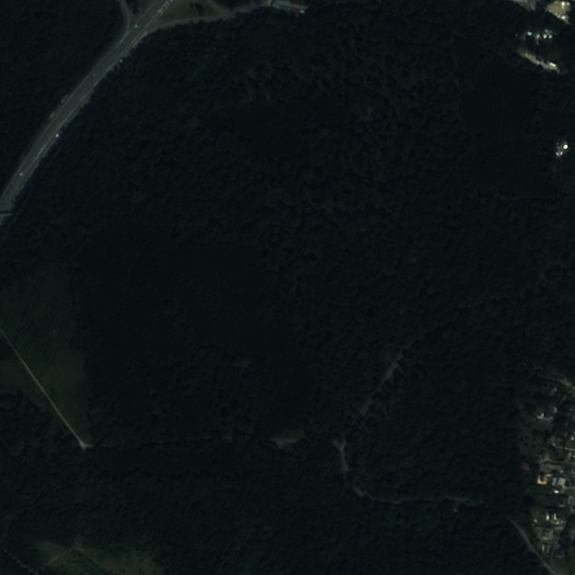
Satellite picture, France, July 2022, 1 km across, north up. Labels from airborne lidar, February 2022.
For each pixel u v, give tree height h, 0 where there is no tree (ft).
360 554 75
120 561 0
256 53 88
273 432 39
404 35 69
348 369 74
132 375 26
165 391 34
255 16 58
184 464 40
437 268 84
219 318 40
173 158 35
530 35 0
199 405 41
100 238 47
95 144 79
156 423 103
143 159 89
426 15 73
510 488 80
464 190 28
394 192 82
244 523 86
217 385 49
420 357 74
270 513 79
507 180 27
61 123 0
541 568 76
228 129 86
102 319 31
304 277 95
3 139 84
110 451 39
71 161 67
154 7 0
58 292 0
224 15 0
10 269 77
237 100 66
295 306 89
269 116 22
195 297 42
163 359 43
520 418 53
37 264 89
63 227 82
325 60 96
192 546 78
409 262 85
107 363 34
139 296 45
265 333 39
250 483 82
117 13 43
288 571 77
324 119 22
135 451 45
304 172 91
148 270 48
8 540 31
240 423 100
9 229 41
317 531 87
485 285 80
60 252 74
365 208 0
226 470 36
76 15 73
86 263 37
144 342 37
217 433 99
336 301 30
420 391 93
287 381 34
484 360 98
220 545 70
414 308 76
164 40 52
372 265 81
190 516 76
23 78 67
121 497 76
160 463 44
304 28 92
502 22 73
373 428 68
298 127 24
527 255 94
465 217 75
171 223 79
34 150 0
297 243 106
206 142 101
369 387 69
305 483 80
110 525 71
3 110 53
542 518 0
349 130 84
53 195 70
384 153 100
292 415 49
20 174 0
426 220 97
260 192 83
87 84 0
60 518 50
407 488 28
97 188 73
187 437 42
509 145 30
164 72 65
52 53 66
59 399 0
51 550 0
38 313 0
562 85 79
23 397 80
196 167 88
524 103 26
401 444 102
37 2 78
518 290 70
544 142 31
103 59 0
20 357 0
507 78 26
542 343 79
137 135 94
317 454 73
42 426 91
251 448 93
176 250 24
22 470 75
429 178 89
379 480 68
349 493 84
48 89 69
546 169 50
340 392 75
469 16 73
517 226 76
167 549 53
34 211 78
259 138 23
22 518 29
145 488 70
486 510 70
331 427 86
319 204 84
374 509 70
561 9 0
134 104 83
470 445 79
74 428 0
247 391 87
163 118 71
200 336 50
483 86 20
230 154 95
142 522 72
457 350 71
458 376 91
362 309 98
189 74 73
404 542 79
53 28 88
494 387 73
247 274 37
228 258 42
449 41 73
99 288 41
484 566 80
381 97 82
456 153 75
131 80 81
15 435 77
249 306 40
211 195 83
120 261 44
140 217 29
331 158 87
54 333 0
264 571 88
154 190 66
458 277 81
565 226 51
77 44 66
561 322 61
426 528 64
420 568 77
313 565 68
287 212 105
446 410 71
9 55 63
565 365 78
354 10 89
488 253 67
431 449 93
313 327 82
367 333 97
